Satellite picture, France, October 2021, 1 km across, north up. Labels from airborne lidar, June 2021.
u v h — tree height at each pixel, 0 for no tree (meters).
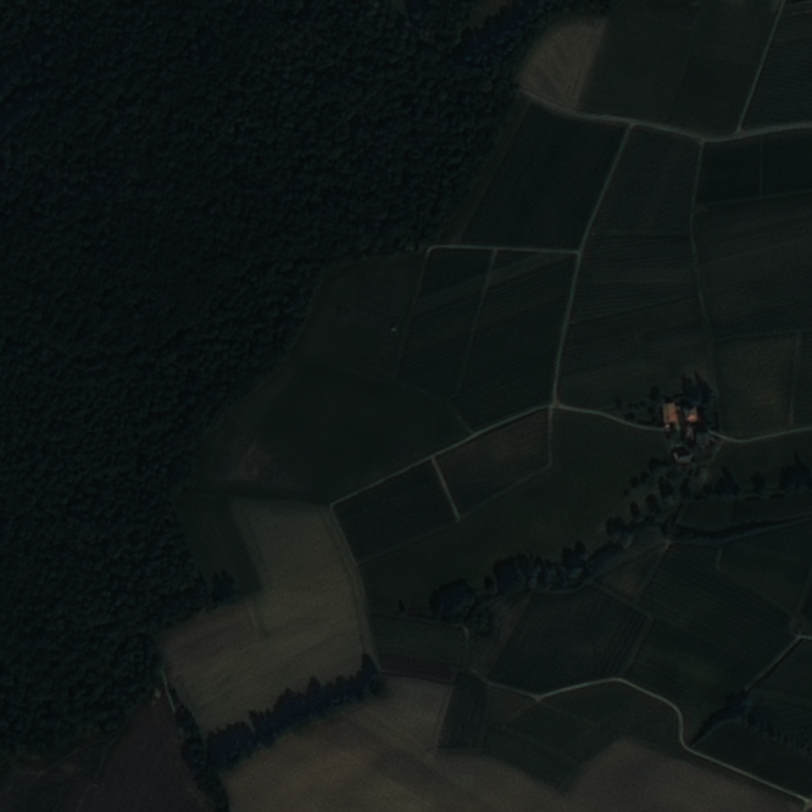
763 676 0
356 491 0
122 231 26
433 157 25
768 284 0
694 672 0
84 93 26
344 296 0
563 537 0
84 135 24
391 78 24
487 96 22
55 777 0
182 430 26
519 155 0
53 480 23
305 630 0
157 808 0
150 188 25
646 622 0
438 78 25
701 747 0
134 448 8
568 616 0
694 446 10
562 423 0
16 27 11
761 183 0
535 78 0
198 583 12
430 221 22
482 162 20
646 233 0
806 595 0
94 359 23
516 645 0
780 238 0
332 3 20
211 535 0
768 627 0
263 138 27
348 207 24
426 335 0
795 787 0
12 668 27
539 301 0
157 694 0
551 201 0
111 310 30
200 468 0
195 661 0
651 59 0
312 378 0
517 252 0
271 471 0
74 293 26
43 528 22
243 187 23
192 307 27
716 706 0
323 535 0
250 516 0
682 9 0
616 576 0
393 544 0
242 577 0
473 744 0
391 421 0
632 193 0
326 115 21
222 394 22
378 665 0
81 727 23
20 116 28
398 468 0
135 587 25
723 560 0
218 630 0
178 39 25
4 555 26
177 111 25
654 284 0
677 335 0
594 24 0
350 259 15
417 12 19
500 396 0
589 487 0
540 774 0
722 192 0
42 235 26
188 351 22
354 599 0
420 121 25
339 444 0
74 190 26
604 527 0
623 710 0
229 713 0
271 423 0
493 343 0
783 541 0
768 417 0
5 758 25
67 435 25
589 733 0
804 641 0
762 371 0
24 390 25
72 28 25
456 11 24
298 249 25
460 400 0
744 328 0
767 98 0
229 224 28
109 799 0
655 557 0
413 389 0
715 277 0
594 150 0
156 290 29
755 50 0
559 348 0
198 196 28
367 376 0
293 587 0
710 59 0
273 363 19
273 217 27
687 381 0
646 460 0
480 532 0
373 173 26
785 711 0
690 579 0
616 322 0
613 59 0
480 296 0
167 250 29
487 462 0
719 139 0
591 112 0
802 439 0
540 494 0
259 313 22
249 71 25
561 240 0
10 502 25
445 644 0
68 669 22
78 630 25
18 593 25
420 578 0
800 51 0
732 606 0
